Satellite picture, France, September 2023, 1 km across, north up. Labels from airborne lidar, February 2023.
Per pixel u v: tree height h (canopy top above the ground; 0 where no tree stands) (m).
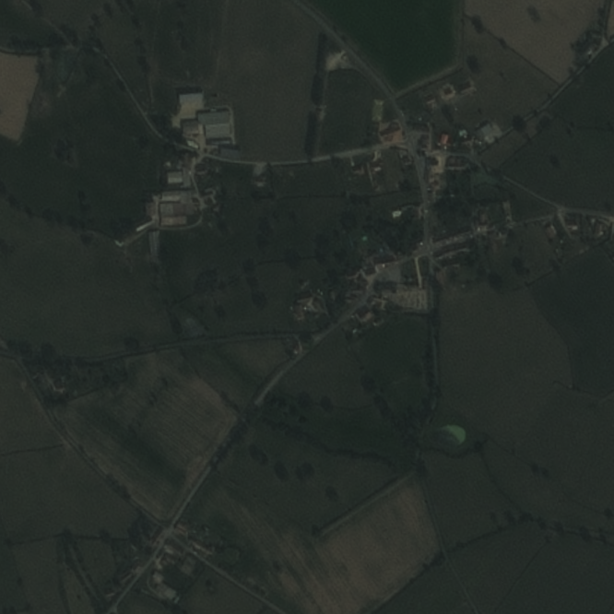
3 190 19
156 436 0
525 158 0
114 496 0
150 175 0
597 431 0
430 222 0
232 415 0
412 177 0
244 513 0
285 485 0
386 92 0
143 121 0
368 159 0
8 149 0
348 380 0
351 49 0
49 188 0
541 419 0
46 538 0
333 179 0
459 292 0
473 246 6
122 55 0
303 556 0
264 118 0
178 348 0
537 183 0
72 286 0
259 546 0
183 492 0
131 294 0
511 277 0
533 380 0
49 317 0
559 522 0
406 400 0
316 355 0
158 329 0
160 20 0
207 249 0
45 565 0
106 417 0
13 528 0
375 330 0
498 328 0
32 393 0
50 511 0
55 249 0
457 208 6
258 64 0
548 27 0
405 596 0
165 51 0
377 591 0
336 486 0
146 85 0
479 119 0
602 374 0
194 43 0
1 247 11
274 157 0
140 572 0
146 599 0
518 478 0
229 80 0
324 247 20
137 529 17
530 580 0
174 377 0
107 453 0
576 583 0
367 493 0
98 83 35
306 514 0
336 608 0
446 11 0
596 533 0
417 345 0
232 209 0
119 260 0
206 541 0
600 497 0
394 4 0
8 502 0
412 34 0
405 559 0
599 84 0
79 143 0
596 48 7
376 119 0
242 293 0
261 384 0
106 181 0
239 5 0
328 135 0
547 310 0
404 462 0
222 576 0
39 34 0
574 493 0
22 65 0
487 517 0
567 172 0
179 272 0
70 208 0
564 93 0
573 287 0
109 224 0
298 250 0
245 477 0
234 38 0
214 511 0
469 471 0
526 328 0
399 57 0
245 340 0
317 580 0
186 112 0
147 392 0
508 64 0
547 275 0
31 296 0
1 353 0
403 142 0
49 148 0
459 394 0
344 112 0
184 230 0
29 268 0
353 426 0
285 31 0
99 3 0
